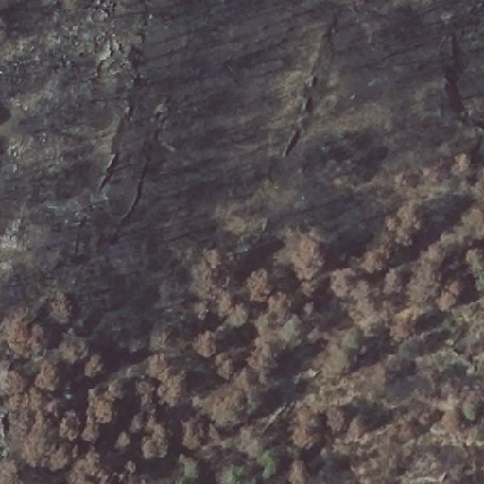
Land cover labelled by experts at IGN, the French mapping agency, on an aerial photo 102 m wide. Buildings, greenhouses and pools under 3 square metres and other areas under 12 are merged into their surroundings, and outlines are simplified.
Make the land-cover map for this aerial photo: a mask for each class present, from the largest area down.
<instances>
[{"label":"bare soil","instance_id":"1","mask_svg":"<svg viewBox=\"0 0 484 484\"><path fill-rule=\"evenodd\" d=\"M26 26H30L32 34L21 38L17 43L9 42L0 30V329L4 325V320H25L26 316L34 318L40 308H49L53 302L66 299V308L74 306L76 316L83 323L81 340L87 346L98 348L104 344H113L117 338L125 337L127 333L151 337L153 325L147 320L155 312V301H159V287L174 284L176 270L185 259L204 255V250H216L217 259L223 263L225 270L246 267L253 274L261 270L270 255H276L284 248L285 240L280 238L282 229L308 233L314 229L320 234V244L316 246V250L323 259V272H335L340 268H346L352 263V257H365L367 251L372 250L374 240L378 236V225L386 223V219L395 216L399 208L408 202L406 197H401L395 191L397 174H401L410 183V187H418L422 185L423 172L450 170L458 163L459 155L467 157L471 151L484 149V0H85L76 11H66L62 6L49 19H43L40 13H30ZM6 357L0 354V406L8 403V395L4 393V389H8L13 382L19 380V374L8 371V363H4ZM9 429H4L0 418V475L8 469L11 461H8Z\"/></svg>","mask_w":484,"mask_h":484},{"label":"coniferous trees","instance_id":"2","mask_svg":"<svg viewBox=\"0 0 484 484\"><path fill-rule=\"evenodd\" d=\"M85 0H0V30L9 42L17 43L21 38L32 34L30 26H26L30 13H40L43 19H49L62 6L66 11H76ZM395 191L401 197H406L408 202L399 208L395 216L386 219V223L378 225V236L374 240L372 250L367 251L365 257H352V263L346 268H340L335 272H323V259L316 250V246L320 244V234L314 229L308 233L282 229L280 238L285 240L284 248L276 255H270L261 270L253 274L246 267L225 270L223 263L217 259L216 250H204V255L185 259L176 270L174 284L159 287V301H155V312L147 320L153 325L151 337L127 333L125 337L117 338L113 344H104L98 348L87 346L81 340L83 323L76 316L74 306L66 308V299L53 302L49 308H40L34 318L26 316L25 320H4V325L0 329V354L6 357L4 363H8V371L19 374V380L13 382L8 389H4V393L8 395V403L0 406V418L4 429H9L8 461H11L8 469L0 475V484H484V149L471 151L467 157L459 155L458 163L450 170L423 172L422 185L418 187H410V183L401 174H397Z\"/></svg>","mask_w":484,"mask_h":484}]
</instances>
